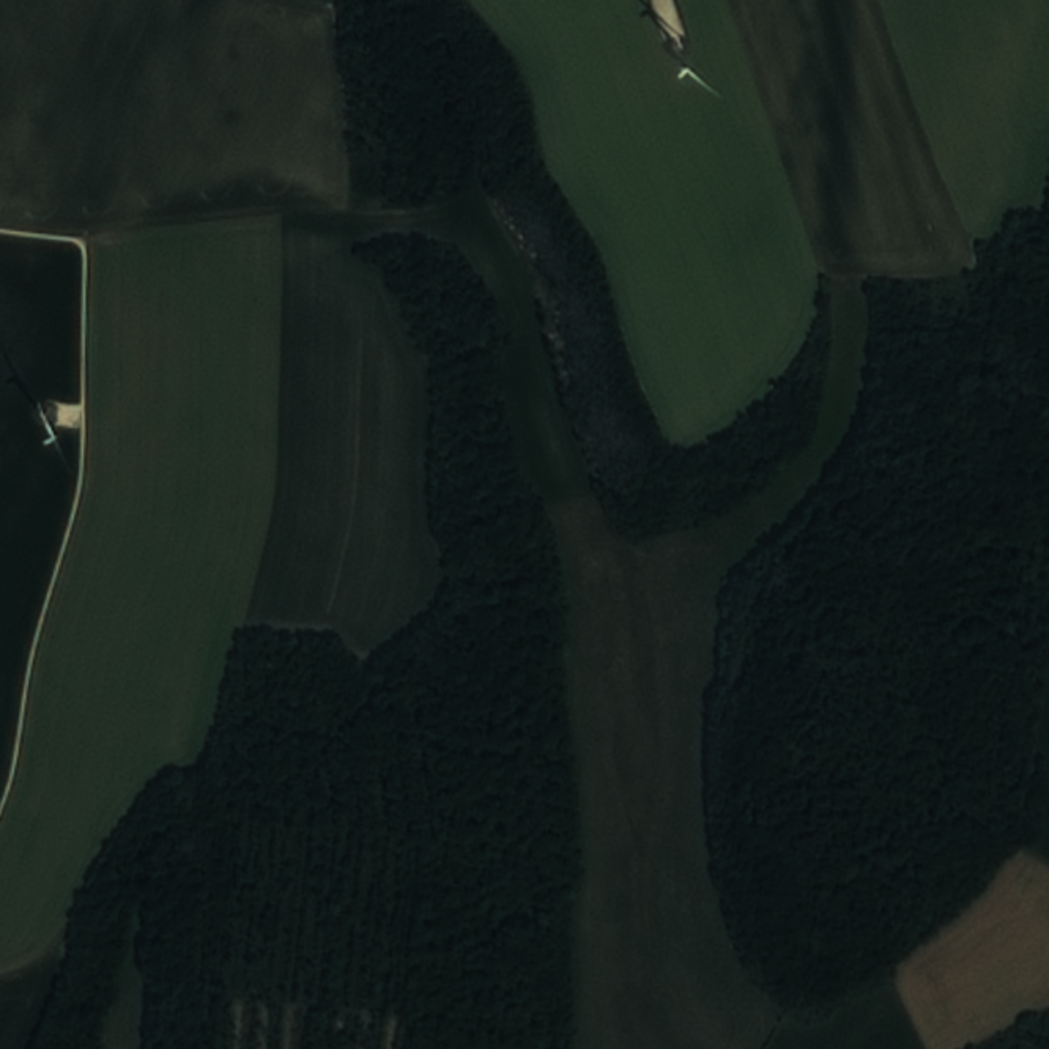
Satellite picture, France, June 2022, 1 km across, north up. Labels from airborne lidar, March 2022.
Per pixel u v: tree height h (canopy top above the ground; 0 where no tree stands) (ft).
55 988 43
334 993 50
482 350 89
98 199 0
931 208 0
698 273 0
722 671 47
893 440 45
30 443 0
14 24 0
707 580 0
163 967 61
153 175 0
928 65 0
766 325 0
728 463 66
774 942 58
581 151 0
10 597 0
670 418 0
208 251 0
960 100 0
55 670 0
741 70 0
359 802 58
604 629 0
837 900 57
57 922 0
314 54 0
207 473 0
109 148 0
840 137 0
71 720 0
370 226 0
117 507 0
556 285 70
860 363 0
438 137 76
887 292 21
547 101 0
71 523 0
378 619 0
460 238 0
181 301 0
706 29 0
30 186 0
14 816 0
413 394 0
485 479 80
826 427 0
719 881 57
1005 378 75
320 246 0
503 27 0
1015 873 0
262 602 0
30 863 0
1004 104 0
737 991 0
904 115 0
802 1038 0
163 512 0
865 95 0
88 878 33
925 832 51
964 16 0
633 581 0
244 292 0
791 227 0
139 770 0
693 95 0
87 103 0
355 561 0
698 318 0
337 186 0
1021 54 0
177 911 48
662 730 0
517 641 93
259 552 0
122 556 0
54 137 0
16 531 0
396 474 0
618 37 0
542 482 0
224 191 0
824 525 62
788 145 0
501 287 0
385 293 0
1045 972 0
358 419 0
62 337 0
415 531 0
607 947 0
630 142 0
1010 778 36
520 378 0
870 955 66
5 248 0
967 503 47
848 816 53
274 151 0
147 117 0
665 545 0
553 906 74
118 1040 0
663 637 0
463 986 28
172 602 0
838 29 0
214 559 0
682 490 53
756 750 74
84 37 0
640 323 0
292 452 0
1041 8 0
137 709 0
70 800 0
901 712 34
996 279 33
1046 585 32
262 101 0
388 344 0
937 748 50
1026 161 0
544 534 63
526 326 0
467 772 65
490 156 55
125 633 0
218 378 0
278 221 0
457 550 57
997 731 46
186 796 71
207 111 0
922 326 55
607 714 0
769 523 0
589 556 0
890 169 0
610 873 0
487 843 59
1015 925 0
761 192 0
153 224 0
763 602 70
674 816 0
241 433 0
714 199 0
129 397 0
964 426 62
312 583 0
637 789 0
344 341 0
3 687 0
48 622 0
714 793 51
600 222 0
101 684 0
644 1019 0
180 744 0
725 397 0
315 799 52
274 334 0
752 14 0
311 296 0
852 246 0
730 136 0
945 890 65
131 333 0
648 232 0
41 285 0
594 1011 0
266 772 52
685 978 0
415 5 65
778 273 0
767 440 62
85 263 0
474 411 80
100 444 0
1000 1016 0
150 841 53
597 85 0
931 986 0
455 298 75
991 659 66
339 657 63
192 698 0
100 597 0
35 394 0
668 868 0
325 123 0
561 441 0
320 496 0
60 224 0
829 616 48
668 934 0
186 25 0
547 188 24
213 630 0
